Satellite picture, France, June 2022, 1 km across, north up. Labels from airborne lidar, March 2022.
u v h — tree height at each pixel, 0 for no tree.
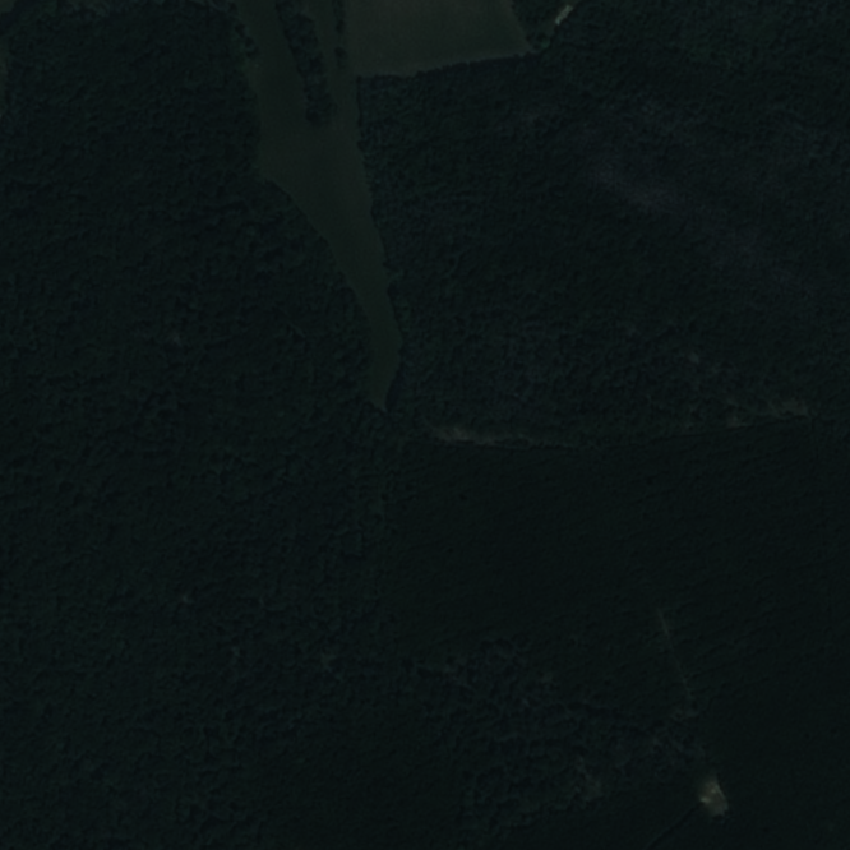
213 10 14
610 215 20
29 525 20
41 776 23
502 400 21
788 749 10
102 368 18
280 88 0
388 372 0
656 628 6
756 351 19
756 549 7
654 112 18
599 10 14
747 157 19
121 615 24
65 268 21
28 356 23
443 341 21
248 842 23
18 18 19
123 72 15
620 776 22
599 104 19
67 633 18
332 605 22
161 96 17
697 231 18
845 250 19
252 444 23
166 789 24
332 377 20
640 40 7
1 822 20
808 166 19
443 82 12
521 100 17
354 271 0
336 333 21
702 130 19
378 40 0
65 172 20
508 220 20
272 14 0
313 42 23
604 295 18
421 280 21
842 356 21
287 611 19
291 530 23
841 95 15
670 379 18
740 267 19
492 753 18
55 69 20
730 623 6
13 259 20
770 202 19
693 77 14
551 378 17
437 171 18
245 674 20
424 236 20
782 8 16
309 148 0
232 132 25
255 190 22
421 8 0
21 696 19
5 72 0
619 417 21
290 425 20
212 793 17
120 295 16
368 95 11
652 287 20
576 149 18
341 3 7
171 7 19
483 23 0
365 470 28
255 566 25
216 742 17
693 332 21
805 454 5
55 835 16
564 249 20
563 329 20
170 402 21
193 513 20
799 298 19
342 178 0
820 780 12
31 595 19
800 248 19
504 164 18
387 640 20
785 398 18
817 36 9
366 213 0
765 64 11
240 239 21
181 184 23
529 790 24
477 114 8
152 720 20
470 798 22
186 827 21
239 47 17
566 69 16
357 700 25
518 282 14
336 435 26
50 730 25
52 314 18
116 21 17
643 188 21
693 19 14
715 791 0
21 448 6
